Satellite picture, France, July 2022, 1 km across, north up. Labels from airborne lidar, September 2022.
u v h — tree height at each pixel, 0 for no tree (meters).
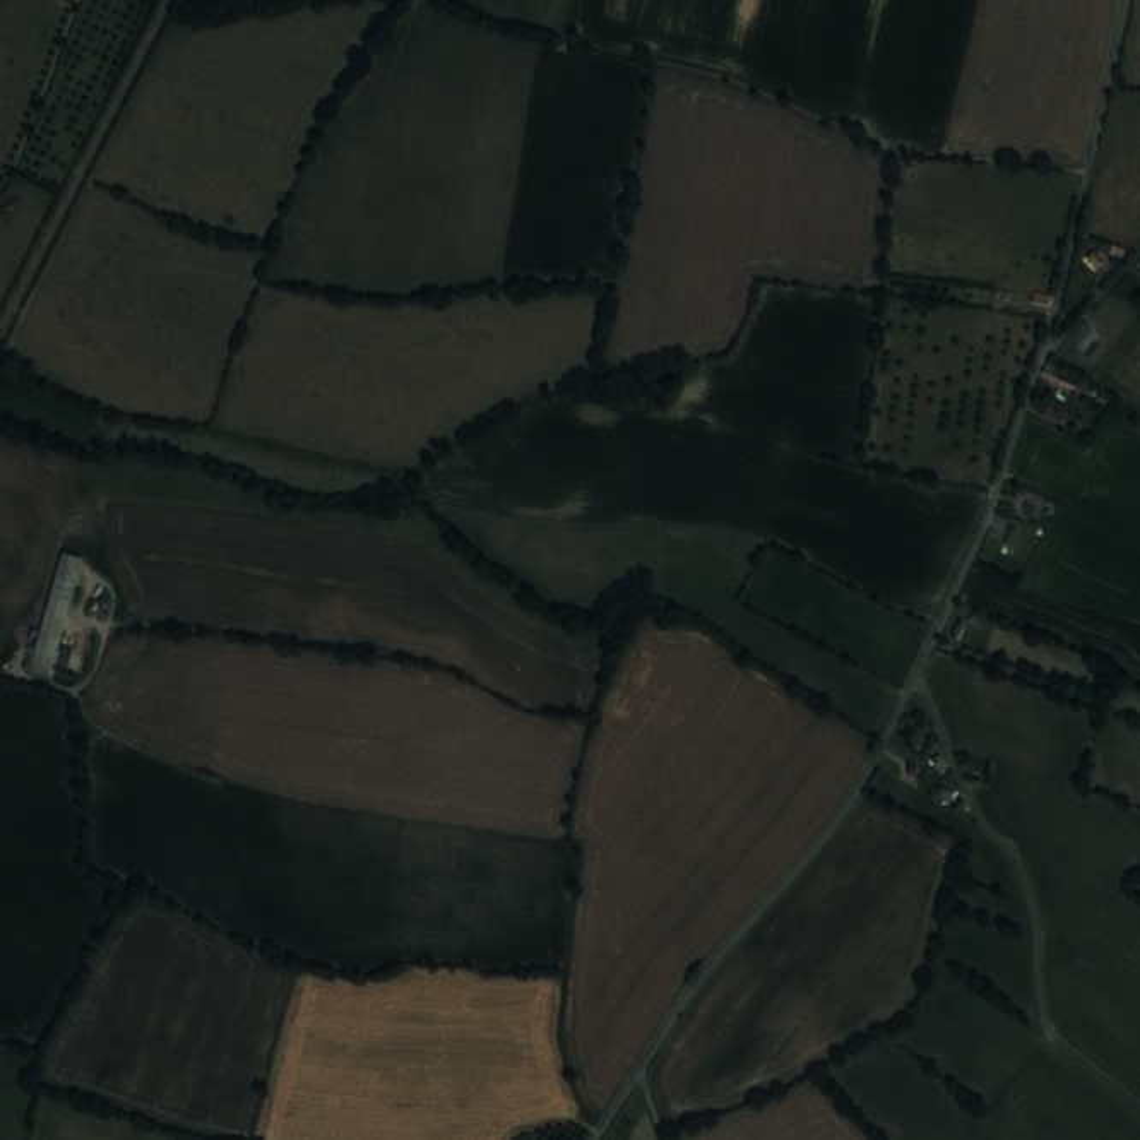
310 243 0
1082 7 0
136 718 0
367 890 0
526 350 0
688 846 0
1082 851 0
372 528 0
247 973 0
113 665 0
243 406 0
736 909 0
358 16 0
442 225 0
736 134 0
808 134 0
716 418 0
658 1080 0
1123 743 0
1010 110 0
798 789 0
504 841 0
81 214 0
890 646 0
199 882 0
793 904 0
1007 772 0
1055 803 0
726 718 0
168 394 0
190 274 0
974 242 0
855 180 0
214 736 0
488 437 19
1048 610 0
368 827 0
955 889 14
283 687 0
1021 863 0
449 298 13
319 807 0
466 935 0
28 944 0
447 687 0
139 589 0
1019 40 0
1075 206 7
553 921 0
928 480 22
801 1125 0
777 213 0
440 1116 0
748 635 0
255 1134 0
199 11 21
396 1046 0
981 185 0
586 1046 0
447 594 0
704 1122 12
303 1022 0
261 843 0
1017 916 0
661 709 0
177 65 0
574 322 0
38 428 16
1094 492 0
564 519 0
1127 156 0
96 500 0
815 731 0
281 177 0
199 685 0
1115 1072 0
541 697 0
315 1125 0
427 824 0
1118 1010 0
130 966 0
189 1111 0
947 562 0
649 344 0
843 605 0
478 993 0
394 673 0
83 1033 0
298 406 0
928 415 0
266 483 9
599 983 0
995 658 11
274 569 0
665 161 0
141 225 0
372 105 0
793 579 0
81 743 16
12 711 0
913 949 0
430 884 0
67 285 0
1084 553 0
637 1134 0
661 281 0
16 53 0
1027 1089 0
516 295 17
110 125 6
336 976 10
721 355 7
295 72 0
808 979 0
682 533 0
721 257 0
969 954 0
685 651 0
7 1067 0
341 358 0
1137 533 0
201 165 0
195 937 0
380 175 0
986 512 0
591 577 0
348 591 0
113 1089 0
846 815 0
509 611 0
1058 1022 0
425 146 0
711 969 0
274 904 0
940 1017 0
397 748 0
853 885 0
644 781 0
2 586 0
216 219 0
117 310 0
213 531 0
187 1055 0
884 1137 14
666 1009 0
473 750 0
